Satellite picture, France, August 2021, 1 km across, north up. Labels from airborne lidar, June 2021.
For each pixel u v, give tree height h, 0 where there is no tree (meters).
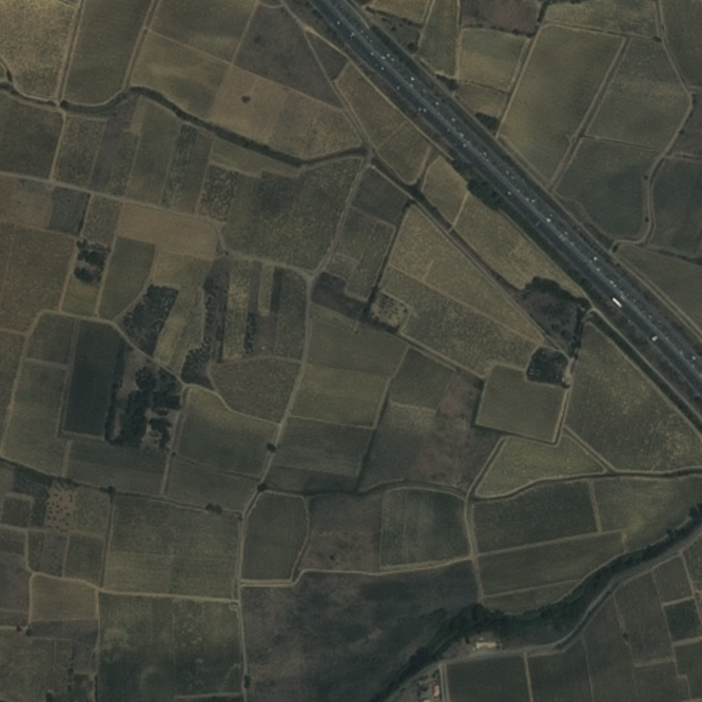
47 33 0
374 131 0
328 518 0
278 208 0
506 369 0
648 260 0
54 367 0
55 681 0
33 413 0
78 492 0
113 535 0
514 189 0
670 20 0
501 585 0
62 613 0
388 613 0
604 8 0
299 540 0
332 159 0
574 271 6
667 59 0
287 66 0
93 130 0
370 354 0
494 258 0
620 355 0
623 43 0
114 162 0
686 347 0
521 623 6
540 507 0
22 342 0
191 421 0
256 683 0
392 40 0
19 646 0
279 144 0
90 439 0
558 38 0
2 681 0
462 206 0
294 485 0
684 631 0
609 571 13
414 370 0
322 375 0
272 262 0
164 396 9
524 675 0
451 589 0
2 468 0
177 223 0
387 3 0
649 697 0
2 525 0
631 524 0
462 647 0
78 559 0
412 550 0
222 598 0
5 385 0
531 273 0
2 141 0
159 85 0
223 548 0
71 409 0
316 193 0
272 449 14
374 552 0
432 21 0
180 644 0
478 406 0
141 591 0
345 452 0
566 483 0
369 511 0
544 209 0
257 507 0
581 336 6
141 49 0
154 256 0
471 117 0
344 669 0
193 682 0
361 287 0
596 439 0
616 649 0
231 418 0
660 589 0
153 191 0
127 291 0
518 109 0
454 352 0
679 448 0
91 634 0
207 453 0
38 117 0
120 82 0
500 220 0
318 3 0
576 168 0
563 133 0
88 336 0
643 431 0
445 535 0
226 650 0
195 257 0
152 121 0
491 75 0
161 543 0
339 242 0
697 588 0
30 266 0
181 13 0
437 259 0
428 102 0
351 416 0
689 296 0
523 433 0
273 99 0
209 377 0
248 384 0
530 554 0
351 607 0
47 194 0
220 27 0
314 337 0
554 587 0
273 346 0
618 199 0
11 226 0
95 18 0
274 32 0
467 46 0
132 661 0
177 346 0
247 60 0
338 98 0
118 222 0
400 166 0
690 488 0
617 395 0
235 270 0
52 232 0
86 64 0
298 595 0
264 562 0
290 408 0
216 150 0
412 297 0
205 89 0
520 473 0
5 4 0
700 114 0
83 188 0
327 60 0
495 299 0
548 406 0
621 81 0
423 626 0
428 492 0
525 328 0
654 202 0
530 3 0
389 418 0
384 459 0
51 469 0
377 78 0
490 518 0
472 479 0
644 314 0
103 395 0
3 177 0
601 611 0
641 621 0
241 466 0
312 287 0
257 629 0
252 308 0
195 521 0
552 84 0
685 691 0
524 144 0
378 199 0
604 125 0
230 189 0
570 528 0
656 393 0
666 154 0
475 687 0
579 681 0
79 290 0
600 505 0
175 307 0
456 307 0
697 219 0
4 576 0
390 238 0
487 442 0
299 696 0
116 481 0
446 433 0
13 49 0
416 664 18
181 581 0
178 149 0
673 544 9
